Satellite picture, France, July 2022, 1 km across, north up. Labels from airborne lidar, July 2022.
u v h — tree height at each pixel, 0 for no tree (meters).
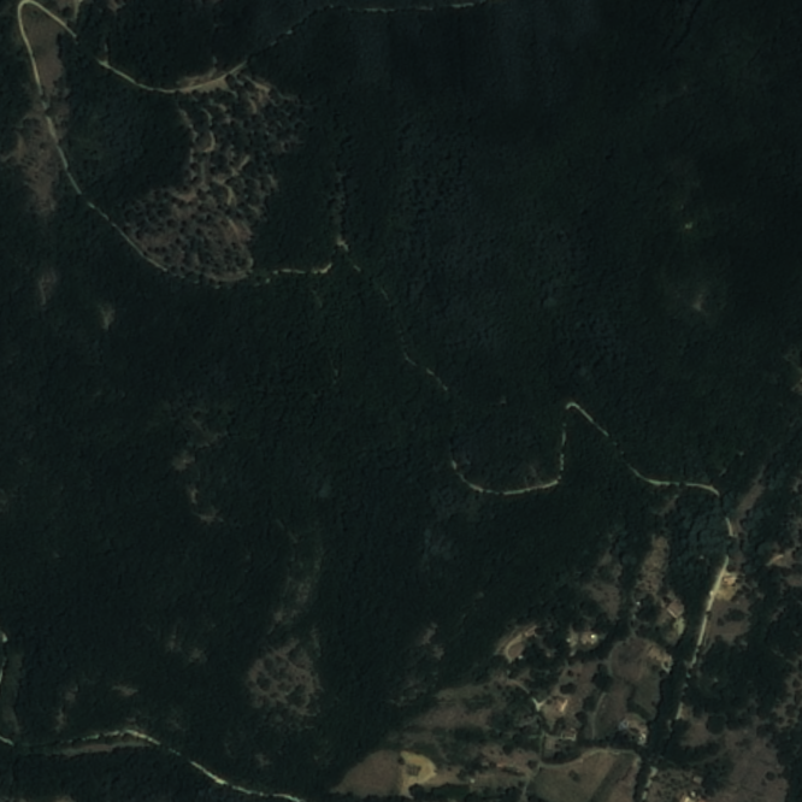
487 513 13
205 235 22
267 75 15
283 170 16
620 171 23
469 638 13
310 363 10
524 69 15
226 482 7
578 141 19
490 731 7
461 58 14
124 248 16
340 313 17
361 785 0
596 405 17
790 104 17
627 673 0
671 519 15
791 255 13
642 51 16
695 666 7
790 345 14
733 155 9
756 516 17
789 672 7
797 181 16
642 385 15
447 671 10
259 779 13
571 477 15
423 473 18
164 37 12
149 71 17
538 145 19
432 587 9
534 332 15
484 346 22
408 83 14
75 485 11
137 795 10
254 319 16
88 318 10
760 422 15
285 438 19
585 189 20
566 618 15
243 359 17
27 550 15
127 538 15
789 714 7
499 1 12
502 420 16
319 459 19
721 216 7
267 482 18
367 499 13
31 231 10
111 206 11
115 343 10
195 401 13
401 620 12
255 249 19
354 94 17
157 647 11
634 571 7
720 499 9
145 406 14
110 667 11
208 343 16
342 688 14
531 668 7
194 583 9
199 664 11
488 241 21
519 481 11
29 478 8
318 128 23
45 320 9
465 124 17
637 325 16
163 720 8
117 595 15
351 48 13
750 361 10
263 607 12
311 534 8
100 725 14
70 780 15
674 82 9
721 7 14
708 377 14
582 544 18
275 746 13
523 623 16
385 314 17
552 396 16
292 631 6
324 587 15
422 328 16
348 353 16
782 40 13
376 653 12
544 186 20
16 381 9
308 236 17
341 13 13
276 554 14
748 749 0
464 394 16
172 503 13
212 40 12
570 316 13
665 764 11
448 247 23
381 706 14
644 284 9
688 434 8
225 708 13
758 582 7
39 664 12
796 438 11
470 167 23
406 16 13
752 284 11
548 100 15
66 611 20
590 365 16
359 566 15
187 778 13
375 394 15
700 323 5
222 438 10
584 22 17
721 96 13
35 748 16
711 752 11
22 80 6
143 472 13
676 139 16
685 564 14
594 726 0
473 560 13
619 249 20
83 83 12
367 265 13
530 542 16
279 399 19
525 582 17
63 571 15
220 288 9
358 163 18
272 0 14
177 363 16
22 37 0
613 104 17
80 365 11
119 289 14
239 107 16
